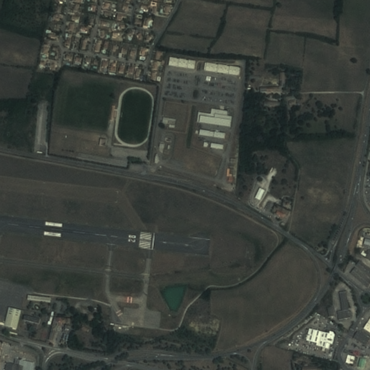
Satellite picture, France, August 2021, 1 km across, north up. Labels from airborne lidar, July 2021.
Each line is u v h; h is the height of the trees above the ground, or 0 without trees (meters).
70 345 11
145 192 0
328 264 0
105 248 0
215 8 0
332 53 0
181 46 0
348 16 0
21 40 0
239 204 0
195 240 0
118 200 0
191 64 0
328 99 0
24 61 0
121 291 0
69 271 0
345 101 0
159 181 0
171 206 0
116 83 0
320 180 0
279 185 0
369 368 0
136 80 10
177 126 0
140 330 0
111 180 0
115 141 0
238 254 0
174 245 0
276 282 0
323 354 0
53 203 0
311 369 0
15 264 0
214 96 0
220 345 0
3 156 0
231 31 0
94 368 15
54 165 0
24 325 0
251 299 0
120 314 0
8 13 6
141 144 0
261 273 0
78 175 0
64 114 0
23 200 0
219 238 0
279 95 7
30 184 0
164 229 0
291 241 0
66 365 13
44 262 0
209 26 0
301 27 0
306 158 0
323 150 0
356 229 0
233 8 0
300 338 0
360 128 0
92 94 0
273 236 0
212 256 0
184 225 0
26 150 0
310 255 0
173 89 0
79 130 0
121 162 0
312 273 0
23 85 0
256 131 19
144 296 0
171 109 0
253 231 0
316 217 0
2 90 0
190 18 0
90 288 0
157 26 0
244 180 7
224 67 0
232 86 0
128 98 0
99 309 6
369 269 0
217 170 0
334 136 16
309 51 0
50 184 0
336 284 6
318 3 0
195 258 0
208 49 8
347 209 0
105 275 0
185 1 0
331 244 0
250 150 10
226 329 0
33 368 0
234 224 0
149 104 0
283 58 0
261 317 0
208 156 0
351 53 0
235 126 0
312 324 0
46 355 0
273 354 0
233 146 0
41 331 0
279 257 0
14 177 0
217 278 0
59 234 0
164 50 8
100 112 0
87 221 0
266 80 0
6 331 15
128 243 0
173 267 0
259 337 0
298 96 12
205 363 0
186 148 0
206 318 0
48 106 7
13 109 7
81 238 0
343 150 0
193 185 0
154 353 0
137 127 0
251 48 0
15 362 0
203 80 0
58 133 0
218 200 0
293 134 13
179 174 0
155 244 0
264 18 0
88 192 0
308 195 0
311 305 0
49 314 8
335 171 0
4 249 0
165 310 0
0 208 0
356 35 0
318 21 0
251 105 11
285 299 0
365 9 0
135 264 0
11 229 0
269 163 0
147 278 0
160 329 0
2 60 0
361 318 0
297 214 0
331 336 0
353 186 0
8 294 0
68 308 9
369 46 0
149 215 0
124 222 0
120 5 0
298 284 0
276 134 14
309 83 0
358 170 0
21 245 0
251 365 0
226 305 0
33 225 0
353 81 0
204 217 0
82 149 0
